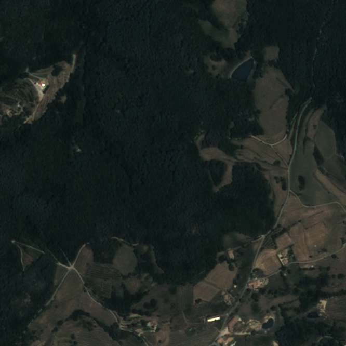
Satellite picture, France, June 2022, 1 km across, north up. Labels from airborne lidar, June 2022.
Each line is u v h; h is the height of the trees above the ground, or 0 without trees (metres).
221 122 17
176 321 0
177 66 17
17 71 20
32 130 18
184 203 15
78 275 0
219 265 0
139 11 18
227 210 16
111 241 11
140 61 14
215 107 17
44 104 0
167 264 13
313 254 0
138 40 33
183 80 19
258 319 0
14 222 20
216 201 13
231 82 18
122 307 15
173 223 15
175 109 18
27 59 8
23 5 21
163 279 12
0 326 9
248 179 14
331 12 16
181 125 18
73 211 18
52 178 20
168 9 17
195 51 12
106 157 17
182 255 18
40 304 8
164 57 17
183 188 15
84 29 24
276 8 19
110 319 0
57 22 26
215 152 0
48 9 13
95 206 13
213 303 0
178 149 18
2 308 13
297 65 27
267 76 0
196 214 18
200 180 17
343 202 0
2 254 13
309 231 0
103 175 17
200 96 23
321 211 0
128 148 21
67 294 0
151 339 0
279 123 0
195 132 14
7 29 14
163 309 0
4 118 13
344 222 10
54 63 7
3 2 14
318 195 0
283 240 0
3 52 9
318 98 11
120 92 18
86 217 17
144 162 21
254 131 10
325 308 0
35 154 18
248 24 8
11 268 16
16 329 16
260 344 0
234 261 9
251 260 0
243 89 19
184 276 12
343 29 15
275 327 0
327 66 9
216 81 16
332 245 0
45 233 14
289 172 0
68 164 22
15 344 8
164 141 25
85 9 21
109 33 30
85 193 17
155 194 19
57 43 7
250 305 0
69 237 21
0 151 19
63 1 15
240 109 18
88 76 28
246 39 12
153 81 20
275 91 0
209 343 0
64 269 0
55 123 20
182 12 20
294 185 0
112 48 36
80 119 0
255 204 11
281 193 0
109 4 14
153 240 14
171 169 32
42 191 18
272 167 0
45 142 17
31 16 16
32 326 0
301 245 0
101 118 27
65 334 0
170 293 0
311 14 7
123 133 12
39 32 17
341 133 10
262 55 6
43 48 10
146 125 23
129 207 17
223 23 0
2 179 27
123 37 36
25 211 36
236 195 10
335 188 0
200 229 12
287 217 0
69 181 18
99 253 7
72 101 12
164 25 19
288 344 15
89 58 22
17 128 15
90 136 17
